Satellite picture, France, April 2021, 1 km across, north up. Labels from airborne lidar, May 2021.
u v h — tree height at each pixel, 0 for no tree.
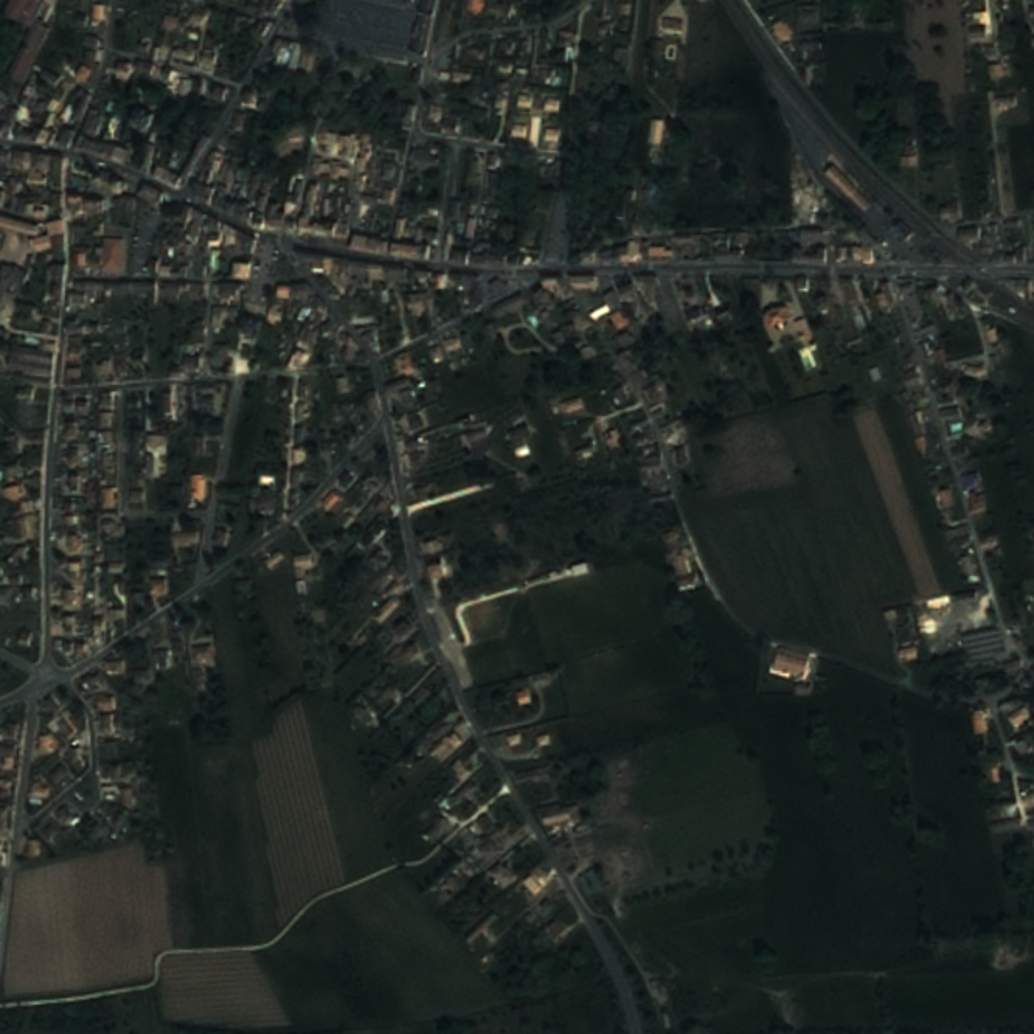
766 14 8
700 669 11
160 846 6
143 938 0
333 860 0
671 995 0
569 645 0
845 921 0
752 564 0
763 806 0
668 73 6
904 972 0
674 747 0
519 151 22
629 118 19
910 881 0
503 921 0
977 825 0
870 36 0
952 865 0
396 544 10
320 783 0
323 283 10
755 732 0
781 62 0
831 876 0
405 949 0
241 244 0
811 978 0
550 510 16
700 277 7
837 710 0
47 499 0
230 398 0
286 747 0
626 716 0
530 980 14
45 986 0
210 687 7
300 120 15
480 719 0
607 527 17
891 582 0
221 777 0
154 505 0
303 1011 0
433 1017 0
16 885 0
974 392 16
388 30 0
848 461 0
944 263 12
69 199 0
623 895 0
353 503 0
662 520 6
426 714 7
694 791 0
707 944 0
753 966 0
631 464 0
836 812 0
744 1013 0
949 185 0
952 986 0
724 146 0
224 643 0
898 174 13
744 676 0
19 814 0
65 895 0
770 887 0
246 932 0
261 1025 0
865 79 6
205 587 0
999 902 0
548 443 0
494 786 7
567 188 14
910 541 0
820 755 9
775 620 0
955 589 0
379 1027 0
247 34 7
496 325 11
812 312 8
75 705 11
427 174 8
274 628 0
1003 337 11
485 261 0
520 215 18
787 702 0
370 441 0
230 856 0
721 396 8
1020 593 6
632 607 0
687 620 21
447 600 14
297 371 0
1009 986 0
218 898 0
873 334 9
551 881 0
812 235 0
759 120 0
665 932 0
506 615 0
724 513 0
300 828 0
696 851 0
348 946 0
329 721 0
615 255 0
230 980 0
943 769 0
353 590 19
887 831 0
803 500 0
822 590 0
